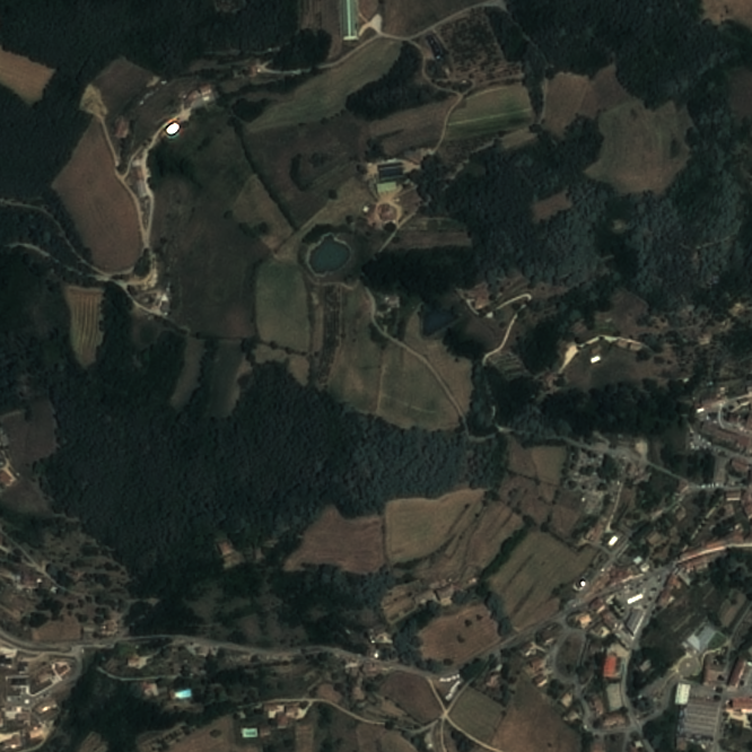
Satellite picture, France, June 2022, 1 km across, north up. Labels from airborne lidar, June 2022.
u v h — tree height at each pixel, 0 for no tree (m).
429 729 0
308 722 0
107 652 9
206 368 13
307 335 0
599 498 0
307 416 12
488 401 7
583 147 14
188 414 12
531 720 0
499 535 0
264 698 10
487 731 0
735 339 8
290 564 0
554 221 10
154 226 0
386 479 15
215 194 0
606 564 0
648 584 0
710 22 9
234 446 16
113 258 0
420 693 0
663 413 18
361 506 14
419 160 0
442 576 0
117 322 14
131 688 13
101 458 9
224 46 8
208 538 12
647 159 0
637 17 19
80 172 0
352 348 0
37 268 19
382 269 19
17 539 8
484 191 10
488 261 12
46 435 0
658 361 13
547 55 10
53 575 11
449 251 8
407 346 0
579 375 0
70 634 0
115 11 16
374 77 0
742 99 0
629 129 0
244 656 0
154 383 9
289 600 8
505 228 20
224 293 0
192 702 7
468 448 15
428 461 7
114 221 0
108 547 12
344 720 0
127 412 11
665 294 8
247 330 0
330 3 0
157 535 20
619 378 0
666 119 0
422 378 0
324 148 0
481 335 0
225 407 0
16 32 15
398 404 0
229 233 0
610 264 9
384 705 0
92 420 13
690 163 6
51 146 16
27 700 0
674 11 13
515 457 0
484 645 0
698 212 14
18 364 17
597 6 17
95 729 8
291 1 10
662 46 18
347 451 17
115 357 12
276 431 16
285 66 10
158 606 10
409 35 0
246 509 23
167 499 18
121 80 0
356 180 0
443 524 0
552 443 9
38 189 18
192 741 0
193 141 0
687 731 0
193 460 13
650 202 14
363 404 0
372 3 0
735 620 0
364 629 8
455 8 0
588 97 0
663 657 0
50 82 7
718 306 11
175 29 16
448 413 0
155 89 0
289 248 0
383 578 18
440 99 5
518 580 0
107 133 0
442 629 0
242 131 7
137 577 6
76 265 12
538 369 10
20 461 0
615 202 6
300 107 0
